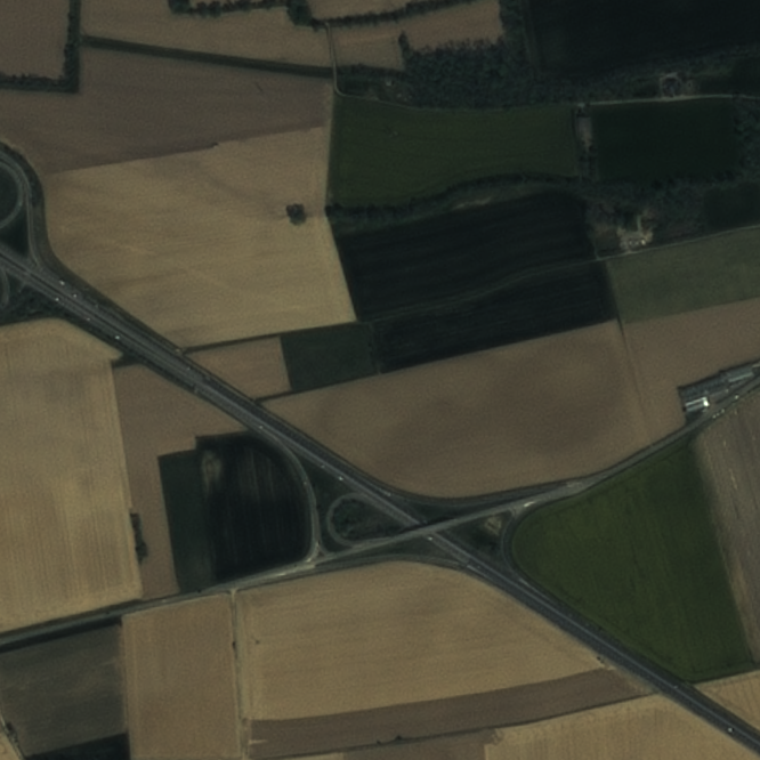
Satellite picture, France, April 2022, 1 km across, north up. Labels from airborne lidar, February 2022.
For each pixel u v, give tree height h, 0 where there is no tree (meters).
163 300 0
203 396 0
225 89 0
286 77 0
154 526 0
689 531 0
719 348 0
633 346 0
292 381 0
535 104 16
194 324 0
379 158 0
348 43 0
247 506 0
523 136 0
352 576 0
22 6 0
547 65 0
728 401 0
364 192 0
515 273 0
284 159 0
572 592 0
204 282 0
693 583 0
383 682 0
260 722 0
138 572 0
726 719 0
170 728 0
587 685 0
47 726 0
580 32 0
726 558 0
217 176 0
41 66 0
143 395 0
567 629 0
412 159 0
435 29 0
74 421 0
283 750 0
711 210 0
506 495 0
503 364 0
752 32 0
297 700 0
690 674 0
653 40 0
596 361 0
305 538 0
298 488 0
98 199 0
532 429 0
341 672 0
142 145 0
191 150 0
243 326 0
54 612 0
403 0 0
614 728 0
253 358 0
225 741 0
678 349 0
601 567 0
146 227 0
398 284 0
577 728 0
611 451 0
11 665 0
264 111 0
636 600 0
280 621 0
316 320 0
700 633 0
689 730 0
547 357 0
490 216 0
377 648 0
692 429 0
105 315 0
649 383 0
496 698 0
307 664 0
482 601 0
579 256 0
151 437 0
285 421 0
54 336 0
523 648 0
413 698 0
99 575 0
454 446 0
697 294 0
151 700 0
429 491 0
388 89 0
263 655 0
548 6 0
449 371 0
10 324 0
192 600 0
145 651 0
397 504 0
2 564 0
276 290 0
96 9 0
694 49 0
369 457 0
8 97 0
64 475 0
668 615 0
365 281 0
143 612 0
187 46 0
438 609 0
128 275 0
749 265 0
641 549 0
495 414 0
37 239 0
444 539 0
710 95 0
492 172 0
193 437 0
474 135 0
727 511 0
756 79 0
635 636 0
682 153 0
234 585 0
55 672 0
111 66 0
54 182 0
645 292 0
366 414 0
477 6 0
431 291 0
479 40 0
